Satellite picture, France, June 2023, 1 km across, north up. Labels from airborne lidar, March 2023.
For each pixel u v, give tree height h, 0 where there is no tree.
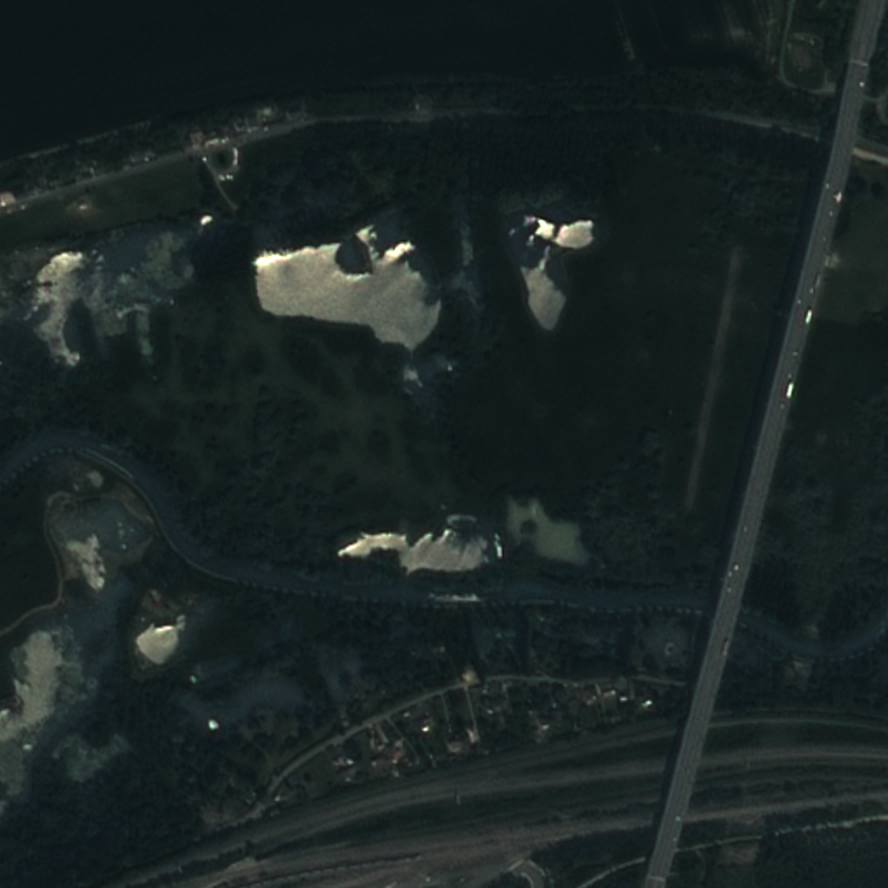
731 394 0
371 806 0
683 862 11
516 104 17
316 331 0
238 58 0
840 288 0
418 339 0
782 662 8
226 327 0
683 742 0
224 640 0
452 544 0
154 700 14
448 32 0
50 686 0
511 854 0
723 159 6
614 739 0
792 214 7
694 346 0
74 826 6
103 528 0
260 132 0
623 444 0
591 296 0
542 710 7
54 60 0
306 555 14
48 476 6
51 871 26
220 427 0
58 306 0
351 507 0
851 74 0
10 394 7
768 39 0
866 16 0
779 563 19
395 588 0
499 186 21
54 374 12
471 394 0
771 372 24
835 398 0
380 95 11
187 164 0
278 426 7
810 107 11
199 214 10
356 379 0
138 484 0
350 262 0
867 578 7
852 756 0
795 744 0
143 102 0
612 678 12
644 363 0
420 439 0
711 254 0
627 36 0
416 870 0
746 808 0
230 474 6
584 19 0
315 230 19
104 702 9
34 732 0
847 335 0
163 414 0
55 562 0
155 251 0
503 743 9
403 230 8
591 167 24
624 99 9
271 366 0
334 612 15
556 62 0
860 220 0
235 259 20
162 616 0
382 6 0
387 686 9
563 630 17
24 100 0
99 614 0
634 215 0
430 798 0
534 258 0
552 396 0
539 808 0
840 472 0
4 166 0
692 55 0
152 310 0
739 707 16
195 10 0
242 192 0
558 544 0
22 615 0
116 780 6
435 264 0
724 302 0
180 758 14
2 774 0
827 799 0
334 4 0
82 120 0
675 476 0
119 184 0
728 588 0
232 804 0
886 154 0
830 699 14
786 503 6
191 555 0
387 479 0
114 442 13
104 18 0
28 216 0
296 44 0
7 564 0
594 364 0
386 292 0
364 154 9
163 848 11
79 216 0
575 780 0
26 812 8
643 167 0
